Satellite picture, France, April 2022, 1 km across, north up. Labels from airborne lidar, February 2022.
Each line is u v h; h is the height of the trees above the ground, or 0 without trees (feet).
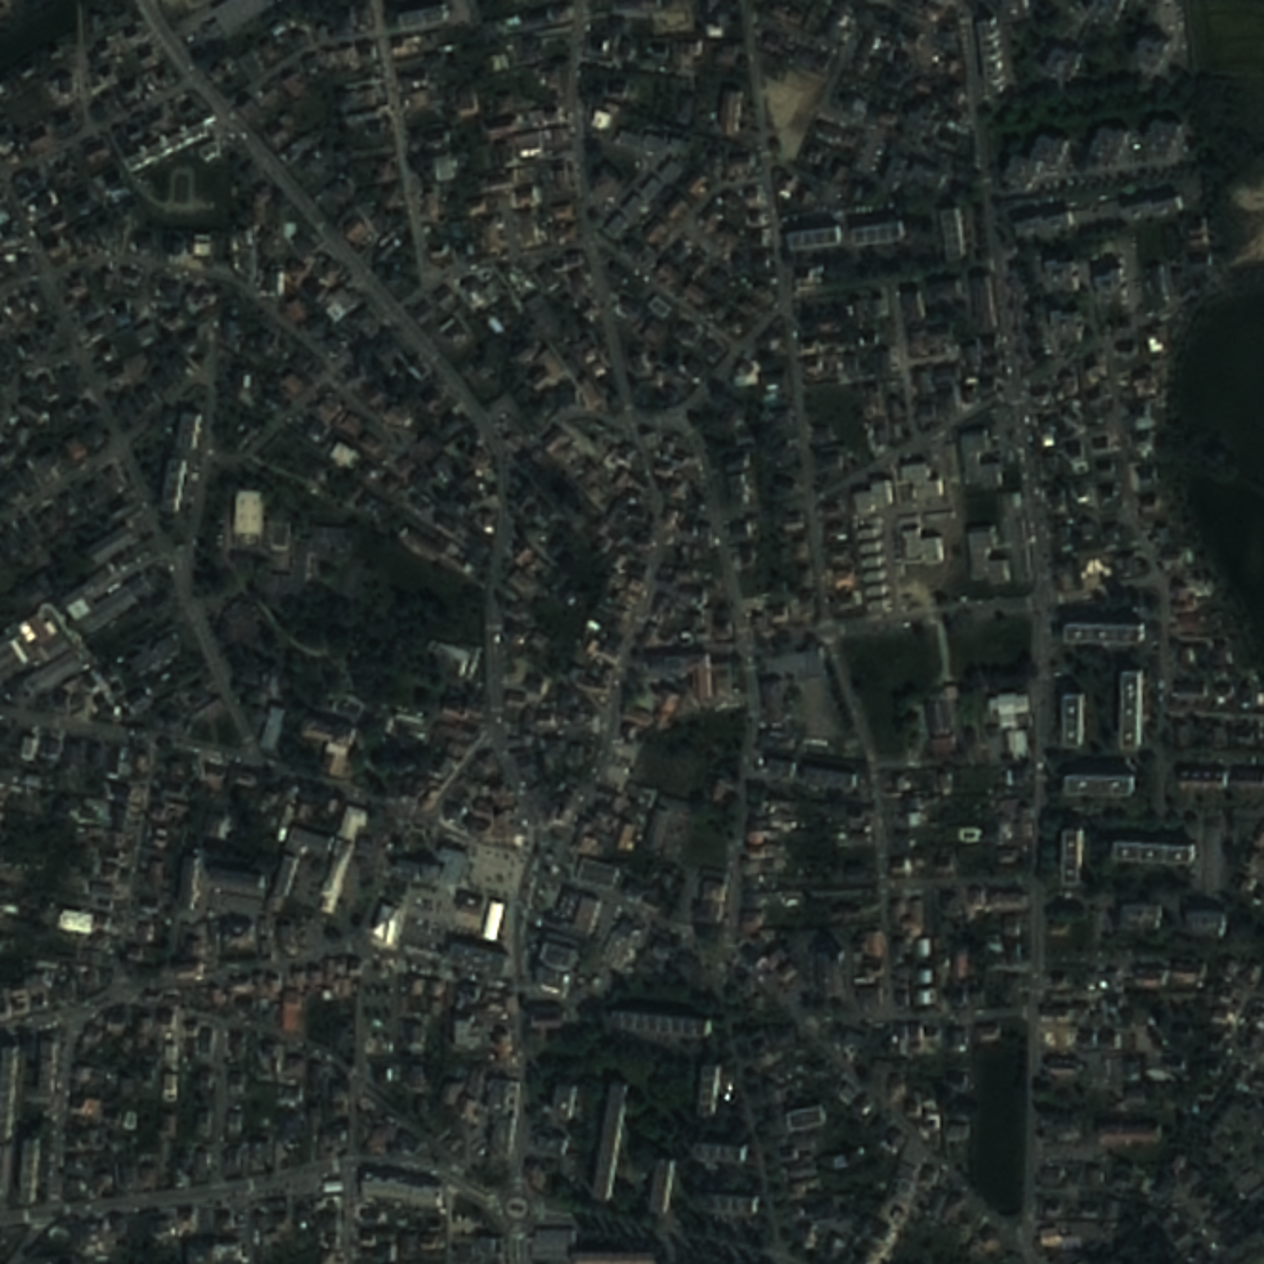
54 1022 0
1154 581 0
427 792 0
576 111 0
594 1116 48
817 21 0
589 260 0
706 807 56
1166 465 43
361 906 0
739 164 0
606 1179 0
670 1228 0
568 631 0
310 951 0
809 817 0
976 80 0
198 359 22
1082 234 25
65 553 22
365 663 56
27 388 37
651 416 0
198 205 0
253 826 45
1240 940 75
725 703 0
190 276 0
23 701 0
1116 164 0
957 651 0
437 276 0
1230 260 39
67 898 0
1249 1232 50
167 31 0
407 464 0
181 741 0
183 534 0
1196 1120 24
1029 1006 0
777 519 44
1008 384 0
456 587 0
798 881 0
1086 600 0
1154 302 0
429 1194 0
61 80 0
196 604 0
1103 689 0
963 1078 0
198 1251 0
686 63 0
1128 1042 0
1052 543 0
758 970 0
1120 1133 0
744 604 0
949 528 0
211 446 0
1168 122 0
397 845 39
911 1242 29
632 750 0
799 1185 0
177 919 0
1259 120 0
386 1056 0
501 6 0
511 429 0
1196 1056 22
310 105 0
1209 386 0
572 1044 52
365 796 0
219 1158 0
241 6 0
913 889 0
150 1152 31
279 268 0
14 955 0
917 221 40
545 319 0
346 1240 0
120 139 19
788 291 0
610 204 0
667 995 0
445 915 0
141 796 0
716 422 25
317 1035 0
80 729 0
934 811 0
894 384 0
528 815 0
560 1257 0
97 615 0
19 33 0
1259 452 0
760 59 0
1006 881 0
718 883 0
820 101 0
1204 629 0
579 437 0
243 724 0
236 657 52
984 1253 0
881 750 0
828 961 0
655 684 0
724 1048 21
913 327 25
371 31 0
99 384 0
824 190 0
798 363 0
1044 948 0
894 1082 0
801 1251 34
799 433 0
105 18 30
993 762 0
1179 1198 0
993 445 0
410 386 30
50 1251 0
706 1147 0
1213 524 0
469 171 23
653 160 0
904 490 0
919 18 0
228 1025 0
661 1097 46
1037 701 0
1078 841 0
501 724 0
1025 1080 24
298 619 35
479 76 31
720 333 0
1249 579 0
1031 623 0
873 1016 0
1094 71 41
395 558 0
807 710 0
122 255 0
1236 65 0
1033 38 31
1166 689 0
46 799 23
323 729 0
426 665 40
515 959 0
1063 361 0
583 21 0
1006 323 0
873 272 34
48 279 0
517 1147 0
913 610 0
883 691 0
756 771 0
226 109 0
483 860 0
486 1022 0
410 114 0
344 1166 0
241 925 0
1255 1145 0
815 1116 0
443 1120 33
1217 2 0
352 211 31
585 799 0
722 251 0
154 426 38
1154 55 0
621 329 0
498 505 0
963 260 35
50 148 0
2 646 0
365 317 0
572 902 0
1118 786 0
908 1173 0
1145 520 0
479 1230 0
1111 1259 52
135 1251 23
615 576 0
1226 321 0
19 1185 0
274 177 0
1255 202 0
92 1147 0
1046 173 0
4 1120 0
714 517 0
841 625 0
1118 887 39
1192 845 0
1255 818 0
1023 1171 0
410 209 0
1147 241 0
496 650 0
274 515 56
